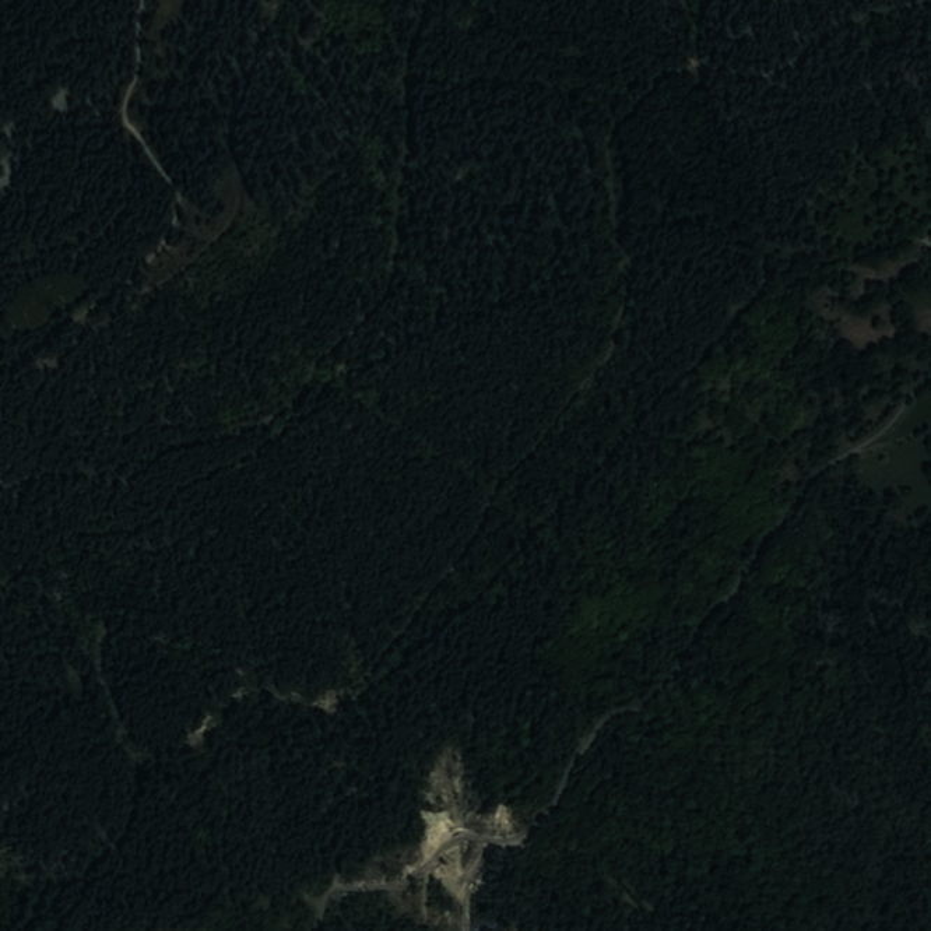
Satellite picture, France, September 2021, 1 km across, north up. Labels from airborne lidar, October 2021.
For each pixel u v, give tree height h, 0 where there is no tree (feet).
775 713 74
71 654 106
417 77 28
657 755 73
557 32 68
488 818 30
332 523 63
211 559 48
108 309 71
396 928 55
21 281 34
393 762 49
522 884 23
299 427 54
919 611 63
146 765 19
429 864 0
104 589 54
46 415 54
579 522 81
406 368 48
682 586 67
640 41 59
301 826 86
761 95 55
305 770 78
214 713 40
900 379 64
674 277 86
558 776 42
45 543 77
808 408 28
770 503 44
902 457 0
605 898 79
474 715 60
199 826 54
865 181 54
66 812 91
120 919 102
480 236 24
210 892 89
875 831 65
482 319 71
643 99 41
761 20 65
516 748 88
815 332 44
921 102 73
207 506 67
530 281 44
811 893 73
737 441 29
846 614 97
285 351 46
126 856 89
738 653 55
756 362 41
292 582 60
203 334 23
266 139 109
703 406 40
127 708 81
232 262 23
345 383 26
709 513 58
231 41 46
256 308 54
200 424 49
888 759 73
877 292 54
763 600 34
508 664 69
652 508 46
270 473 52
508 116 85
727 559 66
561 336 65
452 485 39
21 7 37
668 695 50
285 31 40
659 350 79
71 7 30
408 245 93
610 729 39
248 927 33
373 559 70
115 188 62
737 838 55
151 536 59
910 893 84
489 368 39
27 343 72
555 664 75
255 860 100
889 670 86
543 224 109
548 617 96
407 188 39
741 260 46
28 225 61
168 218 52
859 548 66
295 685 68
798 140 99
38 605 19
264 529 53
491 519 57
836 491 45
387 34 35
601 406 29
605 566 55
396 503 52
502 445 35
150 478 73
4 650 72
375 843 57
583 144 29
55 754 78
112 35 32
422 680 82
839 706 37
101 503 65
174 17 0
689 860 89
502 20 30
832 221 41
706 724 35
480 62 58
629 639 49
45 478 46
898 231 50
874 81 96
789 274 35
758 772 46
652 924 52
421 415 31
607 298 41
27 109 52
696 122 44
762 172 81
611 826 68
